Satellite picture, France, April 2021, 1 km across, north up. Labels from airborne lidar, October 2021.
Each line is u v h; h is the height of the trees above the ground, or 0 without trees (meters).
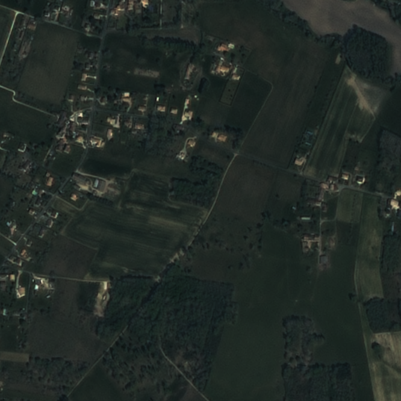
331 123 0
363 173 0
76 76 0
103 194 0
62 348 0
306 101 0
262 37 0
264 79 0
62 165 0
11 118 0
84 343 0
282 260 0
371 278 0
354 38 28
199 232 8
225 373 0
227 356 0
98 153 0
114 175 0
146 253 0
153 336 23
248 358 0
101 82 0
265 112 0
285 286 0
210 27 0
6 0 0
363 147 0
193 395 0
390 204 0
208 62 0
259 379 0
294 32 0
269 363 0
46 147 15
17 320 0
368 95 0
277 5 23
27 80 0
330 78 0
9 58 14
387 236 9
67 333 0
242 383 0
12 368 0
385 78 25
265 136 0
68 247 0
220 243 13
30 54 0
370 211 0
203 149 0
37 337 0
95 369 0
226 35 0
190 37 0
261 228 15
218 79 0
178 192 13
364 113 0
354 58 21
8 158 10
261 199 0
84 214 0
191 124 18
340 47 24
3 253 0
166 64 0
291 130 0
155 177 0
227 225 0
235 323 14
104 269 0
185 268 0
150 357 11
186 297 16
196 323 15
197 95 0
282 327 0
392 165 18
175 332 15
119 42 0
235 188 0
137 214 0
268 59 0
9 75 6
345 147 0
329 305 0
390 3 0
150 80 0
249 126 0
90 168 0
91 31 6
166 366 16
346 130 0
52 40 0
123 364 17
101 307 0
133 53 0
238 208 0
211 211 0
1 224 8
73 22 0
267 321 0
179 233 0
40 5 0
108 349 0
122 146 0
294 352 15
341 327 0
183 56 0
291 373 18
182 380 15
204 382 13
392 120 0
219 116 0
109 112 0
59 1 0
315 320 0
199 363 19
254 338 0
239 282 0
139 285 19
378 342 0
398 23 21
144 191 0
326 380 14
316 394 12
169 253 0
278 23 0
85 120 0
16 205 9
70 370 22
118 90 10
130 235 0
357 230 0
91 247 0
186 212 0
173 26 13
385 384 0
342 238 0
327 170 0
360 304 0
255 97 0
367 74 15
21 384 0
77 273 0
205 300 16
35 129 0
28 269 0
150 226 0
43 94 0
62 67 0
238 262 0
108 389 0
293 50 0
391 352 0
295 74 0
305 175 0
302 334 22
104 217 0
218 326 17
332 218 0
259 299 0
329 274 0
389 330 7
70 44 0
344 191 0
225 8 0
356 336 0
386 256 10
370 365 0
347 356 0
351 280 0
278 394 0
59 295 0
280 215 0
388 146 26
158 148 15
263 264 0
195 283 12
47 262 0
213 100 0
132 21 12
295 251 0
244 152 0
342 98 0
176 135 9
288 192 0
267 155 0
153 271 0
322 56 0
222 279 0
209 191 15
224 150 0
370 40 28
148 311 21
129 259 0
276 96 0
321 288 0
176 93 0
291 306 0
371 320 12
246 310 0
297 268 0
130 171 0
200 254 0
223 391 0
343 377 16
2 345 0
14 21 0
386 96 0
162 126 17
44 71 0
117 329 12
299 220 0
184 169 0
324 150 0
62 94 0
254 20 0
